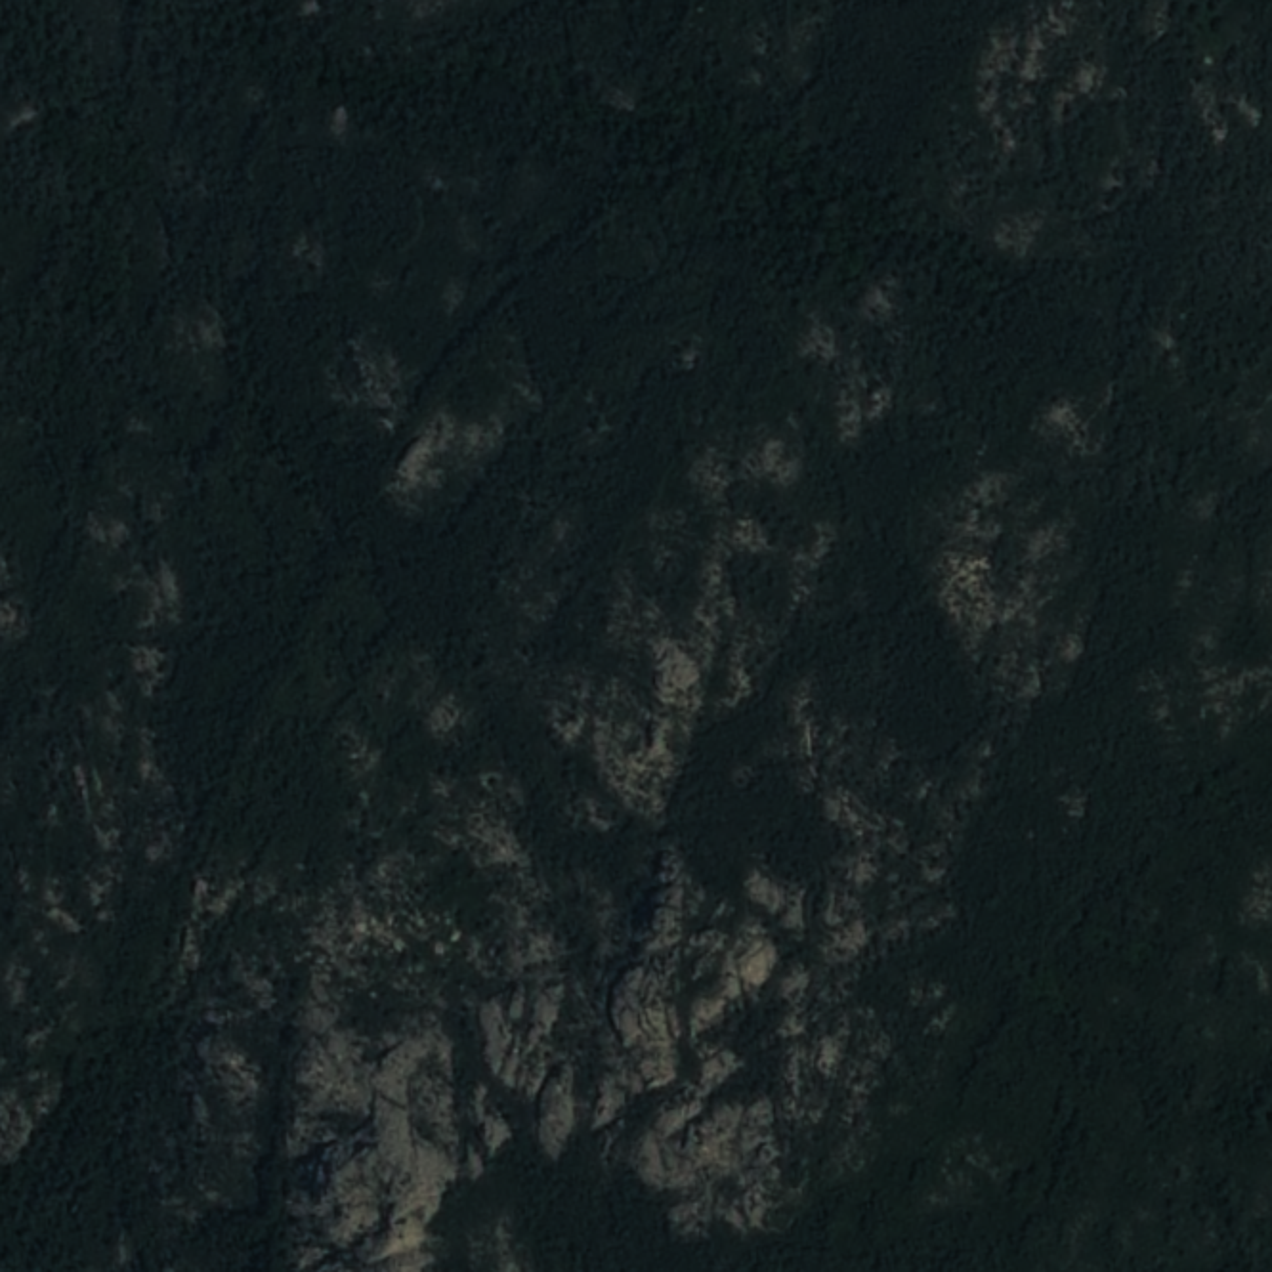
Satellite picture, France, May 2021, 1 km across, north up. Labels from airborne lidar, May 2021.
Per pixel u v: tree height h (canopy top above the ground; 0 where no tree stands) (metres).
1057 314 16
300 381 17
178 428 7
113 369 20
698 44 8
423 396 12
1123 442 13
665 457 9
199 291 14
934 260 11
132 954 11
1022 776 7
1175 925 9
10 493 12
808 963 8
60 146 22
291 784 14
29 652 9
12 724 12
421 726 10
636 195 7
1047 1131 5
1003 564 9
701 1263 12
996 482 0
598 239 9
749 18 8
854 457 12
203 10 18
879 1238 13
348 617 12
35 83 18
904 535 12
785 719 9
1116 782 9
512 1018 6
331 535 13
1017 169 12
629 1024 0
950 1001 7
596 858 14
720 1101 14
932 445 12
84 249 8
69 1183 12
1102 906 22
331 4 19
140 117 17
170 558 9
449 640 14
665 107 14
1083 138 11
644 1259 14
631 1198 11
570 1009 10
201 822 10
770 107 10
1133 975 7
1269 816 10
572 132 9
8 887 8
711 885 13
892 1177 9
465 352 15
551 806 12
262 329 20
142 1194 9
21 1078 10
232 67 13
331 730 10
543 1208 14
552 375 12
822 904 14
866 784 10
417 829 10
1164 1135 11
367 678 14
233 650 13
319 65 13
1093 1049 20
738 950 0
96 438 19
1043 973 14
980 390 13
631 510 11
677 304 10
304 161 8
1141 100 7
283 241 13
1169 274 13
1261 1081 8
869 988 8
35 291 6
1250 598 7
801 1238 9
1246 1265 8
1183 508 8
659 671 7
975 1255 14
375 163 16
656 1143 0
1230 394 14
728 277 9
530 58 18
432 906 8
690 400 9
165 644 8
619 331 14
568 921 9
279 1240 21
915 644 12
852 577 8
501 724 12
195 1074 15
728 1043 10
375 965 14
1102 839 12
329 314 12
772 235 14
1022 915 8
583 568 8
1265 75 15
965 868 6
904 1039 10
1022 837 7
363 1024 8
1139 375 14
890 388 6
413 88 11
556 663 9
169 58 14
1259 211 14
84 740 9
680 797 13
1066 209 11
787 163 12
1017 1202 8
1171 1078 13
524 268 14
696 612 0
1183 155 13
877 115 13
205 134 14
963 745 12
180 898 6
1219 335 12
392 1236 0
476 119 6
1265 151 12
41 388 17
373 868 7
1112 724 9
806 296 9
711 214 8
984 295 15
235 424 19
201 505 15
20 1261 13
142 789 8
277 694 10
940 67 16
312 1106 0
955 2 9
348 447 10
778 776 12
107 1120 17
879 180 16
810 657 9
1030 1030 7
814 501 7
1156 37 9
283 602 14
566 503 10
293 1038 18
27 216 6
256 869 14
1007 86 7
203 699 12
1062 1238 10
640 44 11
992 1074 9
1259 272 15
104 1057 6
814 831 14
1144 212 15
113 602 9
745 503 9
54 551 11
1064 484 9
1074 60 7
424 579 18
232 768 11
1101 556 10
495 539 12
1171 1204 12
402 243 14
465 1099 13
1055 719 8
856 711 7
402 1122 0
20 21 17
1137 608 7
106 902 7
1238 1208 11
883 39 14
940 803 9
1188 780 8
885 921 13
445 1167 0
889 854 10
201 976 19
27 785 10
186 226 18
